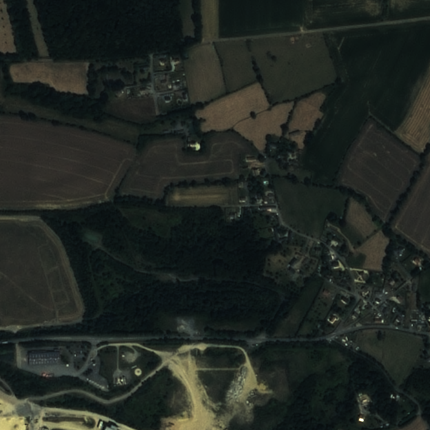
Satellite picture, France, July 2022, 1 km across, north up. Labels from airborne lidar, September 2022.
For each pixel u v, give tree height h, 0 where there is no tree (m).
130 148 0
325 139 0
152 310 9
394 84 0
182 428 0
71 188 0
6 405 0
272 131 0
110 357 0
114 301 9
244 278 28
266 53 0
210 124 0
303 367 0
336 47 0
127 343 0
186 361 0
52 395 0
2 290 0
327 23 0
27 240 0
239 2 0
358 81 0
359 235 0
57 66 0
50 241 0
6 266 0
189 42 23
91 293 16
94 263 7
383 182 0
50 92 12
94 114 17
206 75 0
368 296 8
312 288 0
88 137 0
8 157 0
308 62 0
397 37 0
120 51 20
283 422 7
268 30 0
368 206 11
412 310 0
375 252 0
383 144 0
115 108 0
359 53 0
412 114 0
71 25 20
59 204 0
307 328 0
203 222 6
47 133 0
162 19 27
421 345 0
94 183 0
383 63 0
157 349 0
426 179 0
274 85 0
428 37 0
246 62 0
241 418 0
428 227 0
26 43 16
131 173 0
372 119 6
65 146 0
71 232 16
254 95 0
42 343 9
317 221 0
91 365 0
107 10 11
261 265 11
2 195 0
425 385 9
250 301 12
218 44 0
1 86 0
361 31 0
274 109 0
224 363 0
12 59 14
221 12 0
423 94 0
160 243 14
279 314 9
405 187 0
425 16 0
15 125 0
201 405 0
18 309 0
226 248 21
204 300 13
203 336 0
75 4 20
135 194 0
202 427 0
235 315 18
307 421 17
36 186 0
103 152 0
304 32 0
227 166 0
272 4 0
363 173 0
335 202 0
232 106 0
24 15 22
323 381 0
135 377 0
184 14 0
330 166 0
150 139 9
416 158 0
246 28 0
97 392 10
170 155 0
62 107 19
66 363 0
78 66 0
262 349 12
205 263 28
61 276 0
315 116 0
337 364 0
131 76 8
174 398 0
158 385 0
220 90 0
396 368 0
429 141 0
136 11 24
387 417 17
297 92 0
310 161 0
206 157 0
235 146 0
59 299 0
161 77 0
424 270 10
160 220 0
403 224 0
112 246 6
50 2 19
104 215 13
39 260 0
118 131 0
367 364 10
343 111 0
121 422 7
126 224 9
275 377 0
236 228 18
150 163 0
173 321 0
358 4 0
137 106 0
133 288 7
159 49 17
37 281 0
